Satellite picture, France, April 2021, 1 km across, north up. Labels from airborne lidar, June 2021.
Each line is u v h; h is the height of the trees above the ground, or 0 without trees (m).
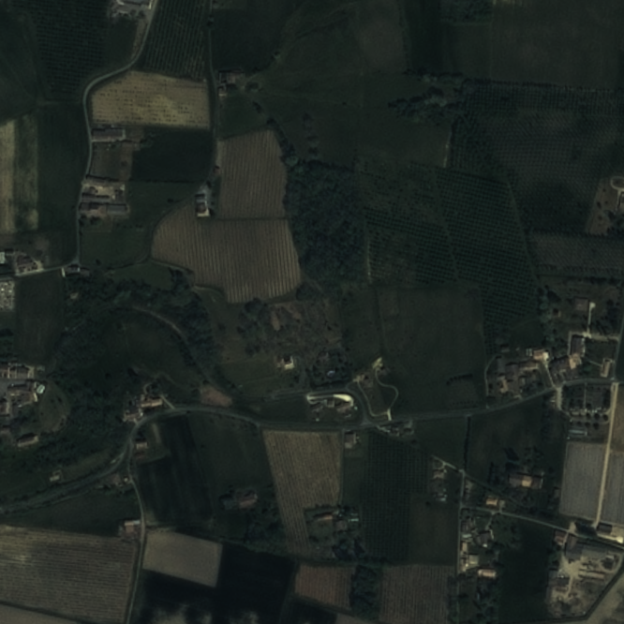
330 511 10
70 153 0
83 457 11
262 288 0
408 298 0
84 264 0
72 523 0
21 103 0
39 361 0
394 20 0
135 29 0
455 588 19
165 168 0
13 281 11
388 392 0
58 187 0
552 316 14
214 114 0
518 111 20
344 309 7
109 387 0
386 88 0
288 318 18
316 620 0
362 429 0
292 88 0
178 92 0
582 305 0
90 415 19
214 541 0
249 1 0
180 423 0
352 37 0
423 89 0
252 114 0
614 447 0
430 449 0
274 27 0
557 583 0
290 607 0
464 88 9
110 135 0
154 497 0
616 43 0
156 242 0
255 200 0
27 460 0
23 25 0
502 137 23
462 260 6
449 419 0
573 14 0
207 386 8
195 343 14
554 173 24
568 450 0
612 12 0
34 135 0
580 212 14
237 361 0
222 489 0
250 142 0
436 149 0
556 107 17
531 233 16
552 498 8
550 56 0
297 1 0
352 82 0
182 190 0
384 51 0
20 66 0
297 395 0
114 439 13
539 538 0
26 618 0
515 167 25
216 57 0
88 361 16
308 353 17
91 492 12
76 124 0
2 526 0
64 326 0
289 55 0
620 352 0
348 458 0
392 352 0
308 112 0
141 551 0
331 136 0
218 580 0
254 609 0
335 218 21
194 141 0
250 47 0
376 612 24
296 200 27
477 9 13
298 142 0
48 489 8
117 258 0
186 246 0
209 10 0
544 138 25
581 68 0
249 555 0
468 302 0
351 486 0
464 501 12
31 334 0
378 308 0
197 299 13
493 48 0
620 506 0
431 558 0
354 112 0
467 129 21
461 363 0
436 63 0
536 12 0
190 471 0
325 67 0
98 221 9
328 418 0
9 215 0
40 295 0
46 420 0
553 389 0
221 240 0
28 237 0
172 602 0
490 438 0
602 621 0
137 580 0
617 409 0
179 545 0
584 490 0
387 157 0
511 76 0
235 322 0
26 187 0
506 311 6
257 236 0
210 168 0
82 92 0
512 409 0
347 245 12
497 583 10
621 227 10
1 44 0
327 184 23
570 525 0
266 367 0
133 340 0
